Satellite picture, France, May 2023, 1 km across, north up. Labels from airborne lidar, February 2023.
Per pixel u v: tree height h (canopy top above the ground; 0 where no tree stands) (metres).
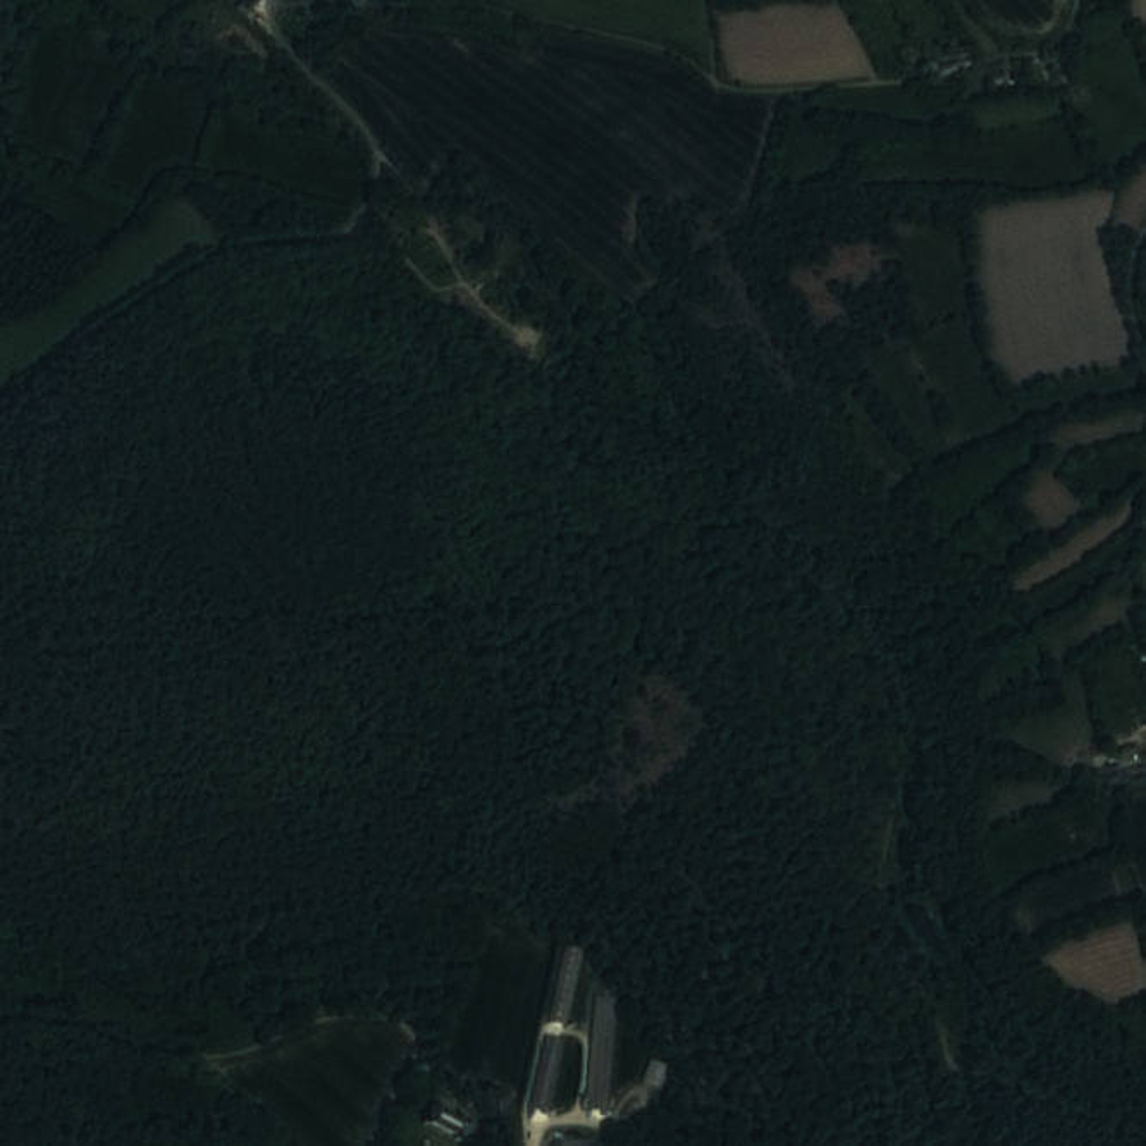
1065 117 8
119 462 16
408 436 15
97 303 0
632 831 18
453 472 21
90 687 22
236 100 7
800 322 13
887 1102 28
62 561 17
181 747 22
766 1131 23
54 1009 13
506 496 21
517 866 21
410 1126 12
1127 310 12
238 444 12
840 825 25
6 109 10
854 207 16
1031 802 0
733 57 0
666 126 0
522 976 0
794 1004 28
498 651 9
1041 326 0
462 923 16
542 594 28
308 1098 0
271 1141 22
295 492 9
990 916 21
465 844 33
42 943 23
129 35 12
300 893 19
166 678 27
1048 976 12
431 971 25
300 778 20
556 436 24
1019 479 14
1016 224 0
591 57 0
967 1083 41
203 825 19
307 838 24
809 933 17
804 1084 25
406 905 17
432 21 12
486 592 17
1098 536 0
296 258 22
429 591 14
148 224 20
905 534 20
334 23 20
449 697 16
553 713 27
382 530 16
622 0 0
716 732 21
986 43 0
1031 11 0
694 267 16
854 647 36
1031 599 8
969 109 9
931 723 22
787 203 16
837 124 17
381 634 19
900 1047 22
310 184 0
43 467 17
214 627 21
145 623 28
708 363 14
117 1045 19
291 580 14
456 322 23
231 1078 0
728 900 19
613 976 19
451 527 15
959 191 13
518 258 0
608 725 25
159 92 0
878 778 24
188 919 19
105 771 24
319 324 23
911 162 0
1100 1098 18
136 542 17
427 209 15
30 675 24
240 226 8
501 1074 0
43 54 0
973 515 7
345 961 22
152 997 11
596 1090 0
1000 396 12
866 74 0
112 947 28
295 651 21
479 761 20
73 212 0
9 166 9
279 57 10
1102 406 18
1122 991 0
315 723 19
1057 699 16
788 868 20
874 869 15
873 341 7
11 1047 21
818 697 18
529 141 0
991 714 18
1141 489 12
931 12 0
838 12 0
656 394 13
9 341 0
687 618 28
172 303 19
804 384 13
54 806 19
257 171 0
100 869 17
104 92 0
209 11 0
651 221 16
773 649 27
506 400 27
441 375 23
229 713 23
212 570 16
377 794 20
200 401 13
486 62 0
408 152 0
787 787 18
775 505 22
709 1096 20
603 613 26
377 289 20
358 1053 0
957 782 26
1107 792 9
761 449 9
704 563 26
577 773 25
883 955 34
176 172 7
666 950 18
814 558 18
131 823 19
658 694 24
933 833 19
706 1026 25
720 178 0
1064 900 0
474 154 0
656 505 26
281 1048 0
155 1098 13
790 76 0
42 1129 21
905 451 14
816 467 22
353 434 16
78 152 0
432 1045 24
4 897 17
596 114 0
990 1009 18
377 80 0
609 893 20
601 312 11
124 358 17
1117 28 0
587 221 0
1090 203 0
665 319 17
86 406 20
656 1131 21
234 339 18
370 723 20
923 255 0
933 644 25
